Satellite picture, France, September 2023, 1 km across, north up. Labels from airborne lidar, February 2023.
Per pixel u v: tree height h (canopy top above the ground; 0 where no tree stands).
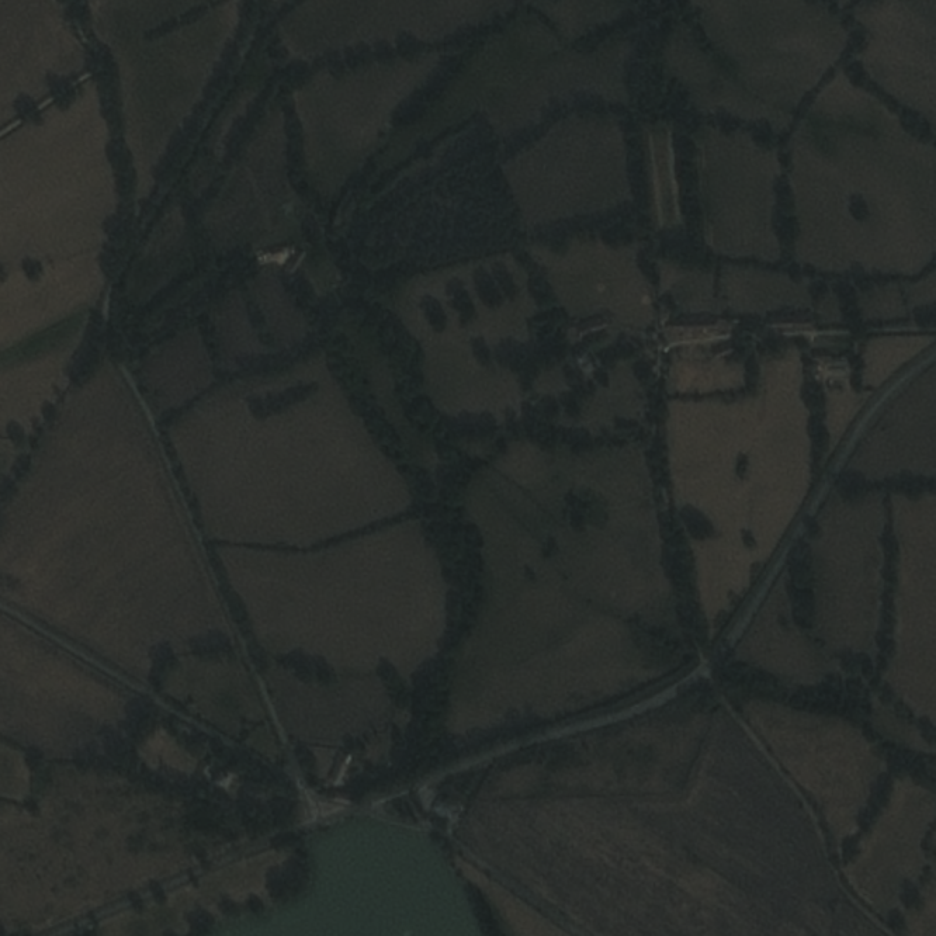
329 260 0
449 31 0
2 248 0
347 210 0
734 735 0
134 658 0
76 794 0
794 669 0
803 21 0
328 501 0
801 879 0
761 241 0
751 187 0
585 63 0
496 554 0
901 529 0
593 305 0
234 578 0
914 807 0
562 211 0
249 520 0
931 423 0
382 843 0
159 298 7
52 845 0
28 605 0
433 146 6
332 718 0
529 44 0
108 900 0
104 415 0
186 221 11
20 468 13
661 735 0
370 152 0
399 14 0
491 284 21
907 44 0
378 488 0
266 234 0
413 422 7
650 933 0
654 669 0
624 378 0
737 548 0
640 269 11
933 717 0
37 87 0
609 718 0
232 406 0
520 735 18
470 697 0
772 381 0
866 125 0
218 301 10
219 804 13
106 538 0
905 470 0
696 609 18
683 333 0
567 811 0
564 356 6
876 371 0
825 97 0
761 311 0
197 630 0
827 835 8
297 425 0
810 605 19
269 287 0
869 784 0
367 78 0
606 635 0
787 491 0
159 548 0
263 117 13
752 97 0
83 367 19
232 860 0
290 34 0
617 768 0
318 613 0
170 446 10
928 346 0
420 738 18
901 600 0
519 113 0
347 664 0
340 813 0
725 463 0
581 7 0
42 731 0
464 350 0
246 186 0
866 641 0
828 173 0
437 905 0
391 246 22
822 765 0
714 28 0
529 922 0
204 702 0
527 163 0
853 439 0
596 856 0
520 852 0
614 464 0
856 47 12
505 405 0
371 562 0
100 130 0
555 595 0
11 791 0
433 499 11
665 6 21
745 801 0
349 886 0
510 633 0
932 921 0
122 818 0
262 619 0
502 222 20
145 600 0
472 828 0
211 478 0
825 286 9
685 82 0
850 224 0
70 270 0
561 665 0
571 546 0
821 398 10
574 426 0
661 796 0
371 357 0
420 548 0
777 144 12
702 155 0
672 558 16
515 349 17
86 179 0
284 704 0
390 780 13
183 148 20
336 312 22
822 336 0
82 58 0
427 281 0
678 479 0
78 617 0
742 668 6
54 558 0
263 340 15
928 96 0
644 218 19
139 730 25
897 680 0
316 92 0
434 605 0
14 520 0
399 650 0
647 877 0
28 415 0
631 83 19
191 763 0
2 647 0
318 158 0
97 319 14
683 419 0
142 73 0
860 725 0
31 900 0
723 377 0
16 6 0
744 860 0
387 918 0
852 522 0
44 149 0
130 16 0
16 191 0
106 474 0
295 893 17
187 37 0
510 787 0
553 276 0
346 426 0
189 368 0
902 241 0
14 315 0
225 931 0
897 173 0
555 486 0
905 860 0
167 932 0
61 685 0
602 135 0
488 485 0
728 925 0
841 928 0
